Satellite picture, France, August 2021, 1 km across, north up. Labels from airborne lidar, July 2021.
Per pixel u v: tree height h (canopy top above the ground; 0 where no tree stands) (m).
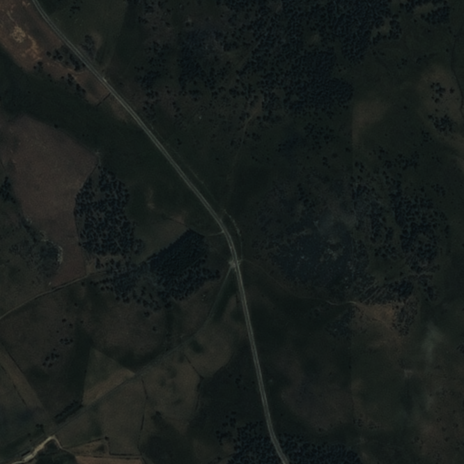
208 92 0
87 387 0
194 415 0
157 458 0
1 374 0
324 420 0
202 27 0
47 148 0
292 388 0
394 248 7
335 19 17
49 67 0
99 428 0
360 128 0
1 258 0
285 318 0
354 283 0
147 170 0
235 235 0
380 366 0
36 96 0
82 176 0
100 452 0
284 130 0
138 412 0
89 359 0
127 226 17
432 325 0
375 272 0
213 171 0
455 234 0
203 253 18
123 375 0
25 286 0
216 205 0
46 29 0
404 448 0
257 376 0
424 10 0
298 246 0
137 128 0
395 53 0
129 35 0
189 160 0
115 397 0
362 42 12
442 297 0
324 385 0
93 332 0
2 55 0
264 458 17
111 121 0
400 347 0
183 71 6
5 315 0
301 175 0
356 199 12
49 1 0
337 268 0
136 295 8
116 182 11
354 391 0
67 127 0
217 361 0
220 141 0
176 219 0
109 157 0
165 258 21
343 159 0
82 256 0
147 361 0
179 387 0
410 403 0
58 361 0
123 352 0
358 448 0
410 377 0
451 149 0
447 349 0
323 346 0
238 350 0
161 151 0
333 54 8
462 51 0
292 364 0
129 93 0
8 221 0
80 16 0
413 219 9
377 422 0
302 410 0
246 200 0
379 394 0
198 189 0
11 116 0
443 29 0
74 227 0
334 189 0
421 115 0
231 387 0
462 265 0
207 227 0
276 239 0
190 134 0
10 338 0
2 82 0
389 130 0
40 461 0
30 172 0
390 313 0
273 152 0
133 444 0
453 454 0
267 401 0
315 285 0
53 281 0
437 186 6
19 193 0
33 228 0
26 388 0
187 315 0
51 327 0
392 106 0
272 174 0
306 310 0
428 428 0
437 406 0
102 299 0
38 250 0
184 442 0
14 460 0
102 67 0
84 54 0
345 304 0
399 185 11
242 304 0
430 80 0
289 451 9
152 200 0
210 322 0
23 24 0
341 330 0
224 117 0
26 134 0
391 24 10
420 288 0
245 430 10
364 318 0
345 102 6
